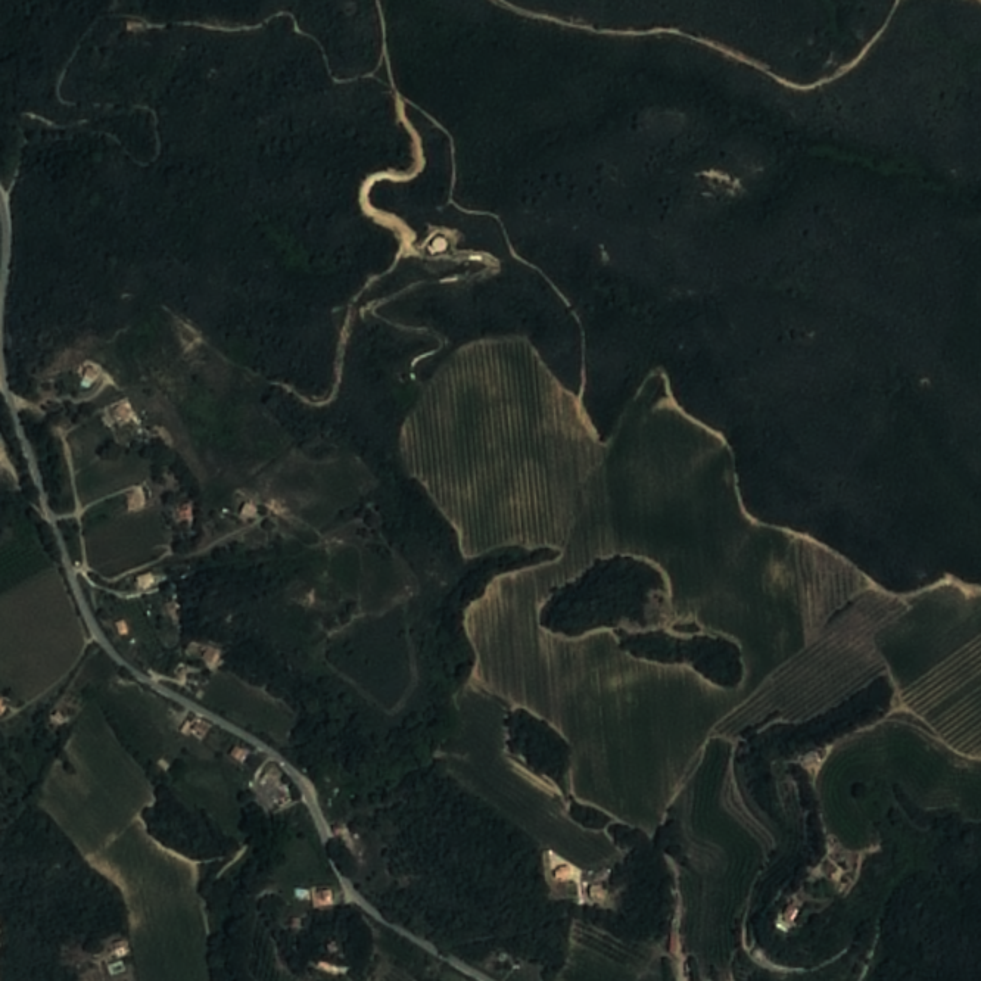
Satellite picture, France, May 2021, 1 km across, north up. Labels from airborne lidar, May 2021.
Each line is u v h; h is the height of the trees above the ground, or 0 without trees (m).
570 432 0
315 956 9
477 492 0
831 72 0
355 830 10
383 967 0
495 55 5
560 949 16
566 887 0
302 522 0
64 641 0
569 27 0
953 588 0
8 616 0
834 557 0
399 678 0
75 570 0
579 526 0
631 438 0
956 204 6
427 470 0
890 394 7
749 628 0
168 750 0
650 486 0
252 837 13
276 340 8
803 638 0
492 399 0
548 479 0
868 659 0
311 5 5
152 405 0
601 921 11
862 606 0
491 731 0
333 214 7
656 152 9
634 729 0
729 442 7
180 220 5
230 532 0
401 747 12
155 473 6
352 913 11
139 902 0
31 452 0
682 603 0
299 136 7
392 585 0
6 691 11
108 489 0
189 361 0
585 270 5
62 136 14
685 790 0
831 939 6
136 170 6
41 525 13
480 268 0
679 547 0
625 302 13
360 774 18
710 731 0
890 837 12
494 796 0
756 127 9
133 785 0
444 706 12
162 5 6
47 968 9
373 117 8
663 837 16
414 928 9
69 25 6
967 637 0
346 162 6
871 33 0
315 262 10
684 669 0
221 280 6
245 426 0
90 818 0
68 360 0
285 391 10
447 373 0
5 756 10
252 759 12
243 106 6
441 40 6
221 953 24
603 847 0
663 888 13
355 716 11
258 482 0
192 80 7
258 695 0
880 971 7
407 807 7
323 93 9
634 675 0
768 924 14
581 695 0
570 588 8
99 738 0
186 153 5
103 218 8
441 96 5
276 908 10
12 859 6
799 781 15
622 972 0
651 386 0
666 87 8
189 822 10
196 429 0
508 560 10
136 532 0
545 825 0
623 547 0
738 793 0
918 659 0
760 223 7
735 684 14
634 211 10
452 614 15
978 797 0
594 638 0
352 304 0
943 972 6
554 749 7
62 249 6
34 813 7
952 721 0
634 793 0
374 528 11
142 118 8
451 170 0
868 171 6
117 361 0
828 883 11
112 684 0
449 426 0
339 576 0
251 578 6
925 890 10
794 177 6
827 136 7
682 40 0
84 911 10
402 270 0
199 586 9
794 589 0
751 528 0
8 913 9
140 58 8
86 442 0
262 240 5
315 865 0
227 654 10
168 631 0
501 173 7
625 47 0
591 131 7
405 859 8
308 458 0
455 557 6
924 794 0
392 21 5
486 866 8
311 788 0
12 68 9
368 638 0
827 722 10
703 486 0
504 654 0
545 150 8
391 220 0
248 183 5
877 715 11
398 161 8
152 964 0
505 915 7
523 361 0
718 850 0
